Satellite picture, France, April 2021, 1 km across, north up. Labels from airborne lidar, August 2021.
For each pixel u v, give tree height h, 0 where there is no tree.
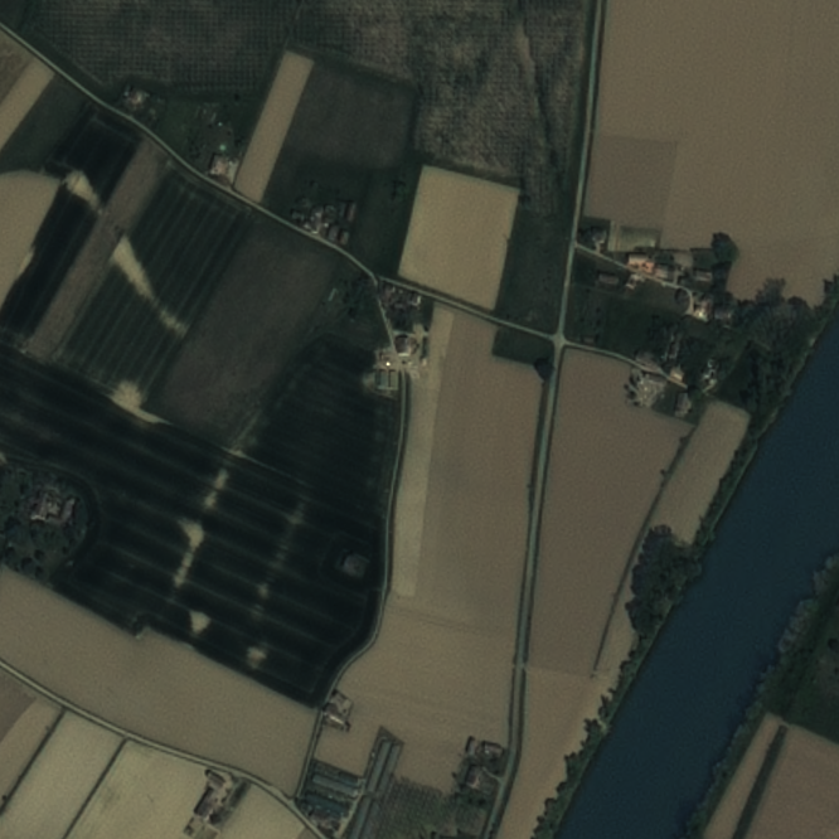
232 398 0
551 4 25
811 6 0
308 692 0
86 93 0
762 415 21
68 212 0
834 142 0
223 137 0
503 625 0
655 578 28
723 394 0
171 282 0
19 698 0
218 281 0
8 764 0
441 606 0
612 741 0
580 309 0
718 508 10
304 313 0
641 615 24
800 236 0
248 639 0
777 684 12
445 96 19
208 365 0
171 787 0
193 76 21
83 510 16
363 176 0
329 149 0
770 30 0
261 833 0
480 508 0
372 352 0
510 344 0
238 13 17
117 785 0
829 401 0
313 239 0
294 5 19
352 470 0
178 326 0
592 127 0
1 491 17
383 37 21
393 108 0
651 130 0
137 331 0
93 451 0
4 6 0
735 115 0
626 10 0
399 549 0
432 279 0
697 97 0
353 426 0
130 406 0
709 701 0
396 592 0
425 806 22
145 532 0
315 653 0
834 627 0
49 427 0
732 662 0
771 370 30
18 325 0
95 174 0
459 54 20
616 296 0
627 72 0
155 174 0
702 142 0
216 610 0
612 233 0
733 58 0
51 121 0
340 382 0
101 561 0
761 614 0
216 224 0
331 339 0
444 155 19
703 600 0
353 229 0
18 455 0
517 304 0
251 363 0
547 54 22
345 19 21
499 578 0
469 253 0
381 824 17
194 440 0
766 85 0
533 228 0
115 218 0
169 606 0
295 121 0
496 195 0
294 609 0
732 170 0
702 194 0
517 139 18
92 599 0
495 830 8
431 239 0
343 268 0
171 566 0
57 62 0
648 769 0
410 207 0
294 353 0
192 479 0
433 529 0
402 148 0
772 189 0
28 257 0
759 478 0
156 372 0
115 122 0
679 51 0
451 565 0
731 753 11
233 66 20
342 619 0
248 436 0
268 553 0
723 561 0
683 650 0
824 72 0
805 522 0
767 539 0
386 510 0
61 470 0
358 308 10
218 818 10
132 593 0
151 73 18
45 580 10
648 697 0
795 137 0
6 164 0
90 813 0
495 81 22
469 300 0
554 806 14
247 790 0
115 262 0
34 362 0
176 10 21
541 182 20
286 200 0
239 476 0
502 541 0
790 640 30
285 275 0
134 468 0
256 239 0
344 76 0
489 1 22
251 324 0
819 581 23
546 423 0
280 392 0
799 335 32
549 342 0
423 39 22
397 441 0
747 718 30
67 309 0
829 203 0
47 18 15
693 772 0
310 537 0
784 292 14
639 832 0
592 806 0
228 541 0
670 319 0
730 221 0
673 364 6
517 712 0
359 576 14
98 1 19
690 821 27
